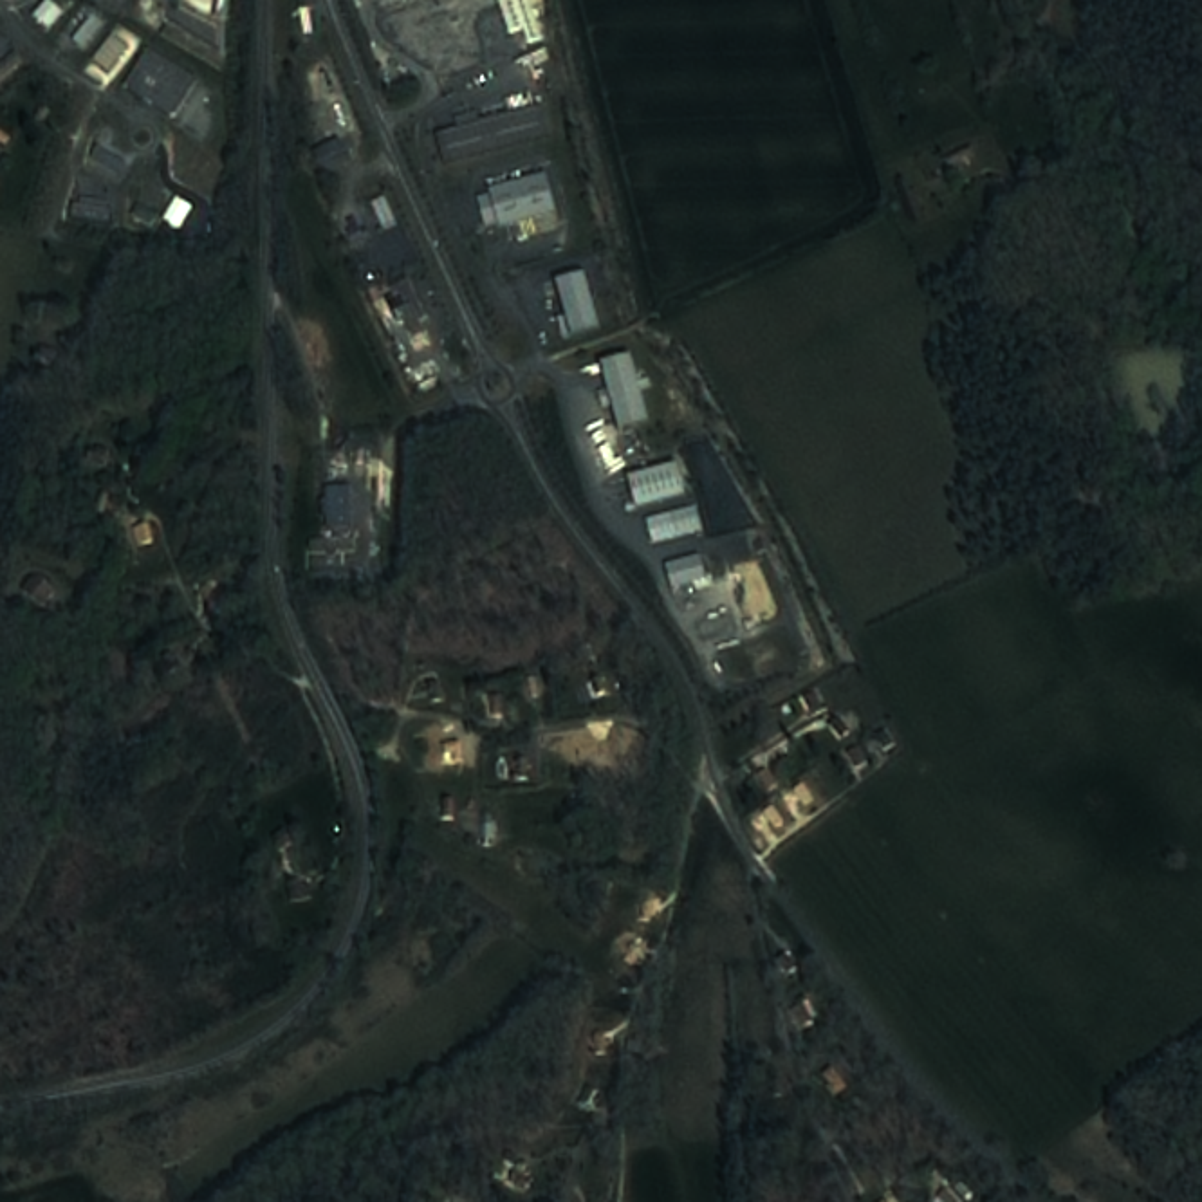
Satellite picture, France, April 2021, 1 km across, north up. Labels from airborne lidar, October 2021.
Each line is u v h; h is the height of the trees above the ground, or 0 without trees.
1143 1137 22
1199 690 0
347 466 0
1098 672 0
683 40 0
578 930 18
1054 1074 0
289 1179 28
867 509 0
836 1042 20
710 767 0
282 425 0
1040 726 0
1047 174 24
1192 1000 0
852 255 0
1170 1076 19
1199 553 23
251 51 10
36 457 21
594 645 9
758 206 0
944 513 0
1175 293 17
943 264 0
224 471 18
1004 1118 0
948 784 0
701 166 0
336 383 0
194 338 29
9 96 7
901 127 6
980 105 7
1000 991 0
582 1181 0
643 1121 26
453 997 0
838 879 0
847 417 0
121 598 6
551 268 0
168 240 9
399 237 0
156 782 15
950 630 0
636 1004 30
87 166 0
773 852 0
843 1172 21
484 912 19
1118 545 26
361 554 0
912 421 0
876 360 0
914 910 0
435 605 21
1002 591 0
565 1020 29
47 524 13
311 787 0
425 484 18
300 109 19
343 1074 0
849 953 0
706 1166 0
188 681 13
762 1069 16
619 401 0
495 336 6
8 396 20
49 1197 0
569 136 11
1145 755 0
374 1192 23
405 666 21
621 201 0
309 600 18
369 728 18
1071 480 26
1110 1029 0
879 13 0
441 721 0
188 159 0
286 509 14
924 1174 13
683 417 0
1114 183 31
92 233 8
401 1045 0
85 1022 11
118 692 18
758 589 0
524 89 0
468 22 0
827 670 0
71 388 22
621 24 0
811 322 0
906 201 7
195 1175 0
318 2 0
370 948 14
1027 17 23
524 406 10
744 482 6
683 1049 0
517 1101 24
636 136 0
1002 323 25
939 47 0
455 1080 30
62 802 21
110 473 9
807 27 0
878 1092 20
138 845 23
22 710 21
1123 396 16
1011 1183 24
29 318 15
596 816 26
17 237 0
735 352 0
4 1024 16
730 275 0
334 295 0
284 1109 0
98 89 0
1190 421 23
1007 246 23
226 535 8
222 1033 25
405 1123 16
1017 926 0
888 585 0
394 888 16
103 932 0
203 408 16
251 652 22
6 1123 16
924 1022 0
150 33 0
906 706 0
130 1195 0
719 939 0
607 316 0
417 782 0
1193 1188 22
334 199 13
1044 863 0
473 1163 7
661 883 25
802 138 0
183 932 15
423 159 0
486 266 0
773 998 13
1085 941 0
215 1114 0
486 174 0
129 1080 0
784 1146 23
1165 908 0
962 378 18
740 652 0
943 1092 0
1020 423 20
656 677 9
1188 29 23
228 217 18
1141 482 25
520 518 17
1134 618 0
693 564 0
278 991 13
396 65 0
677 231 0
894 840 0
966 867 0
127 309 22
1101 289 20
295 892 0
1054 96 22
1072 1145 0
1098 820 0
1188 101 23
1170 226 26
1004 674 0
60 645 22
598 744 0
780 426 0
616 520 0
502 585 25
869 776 0
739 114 0
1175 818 0
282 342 13
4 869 23
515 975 0
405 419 0
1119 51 25
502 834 0
